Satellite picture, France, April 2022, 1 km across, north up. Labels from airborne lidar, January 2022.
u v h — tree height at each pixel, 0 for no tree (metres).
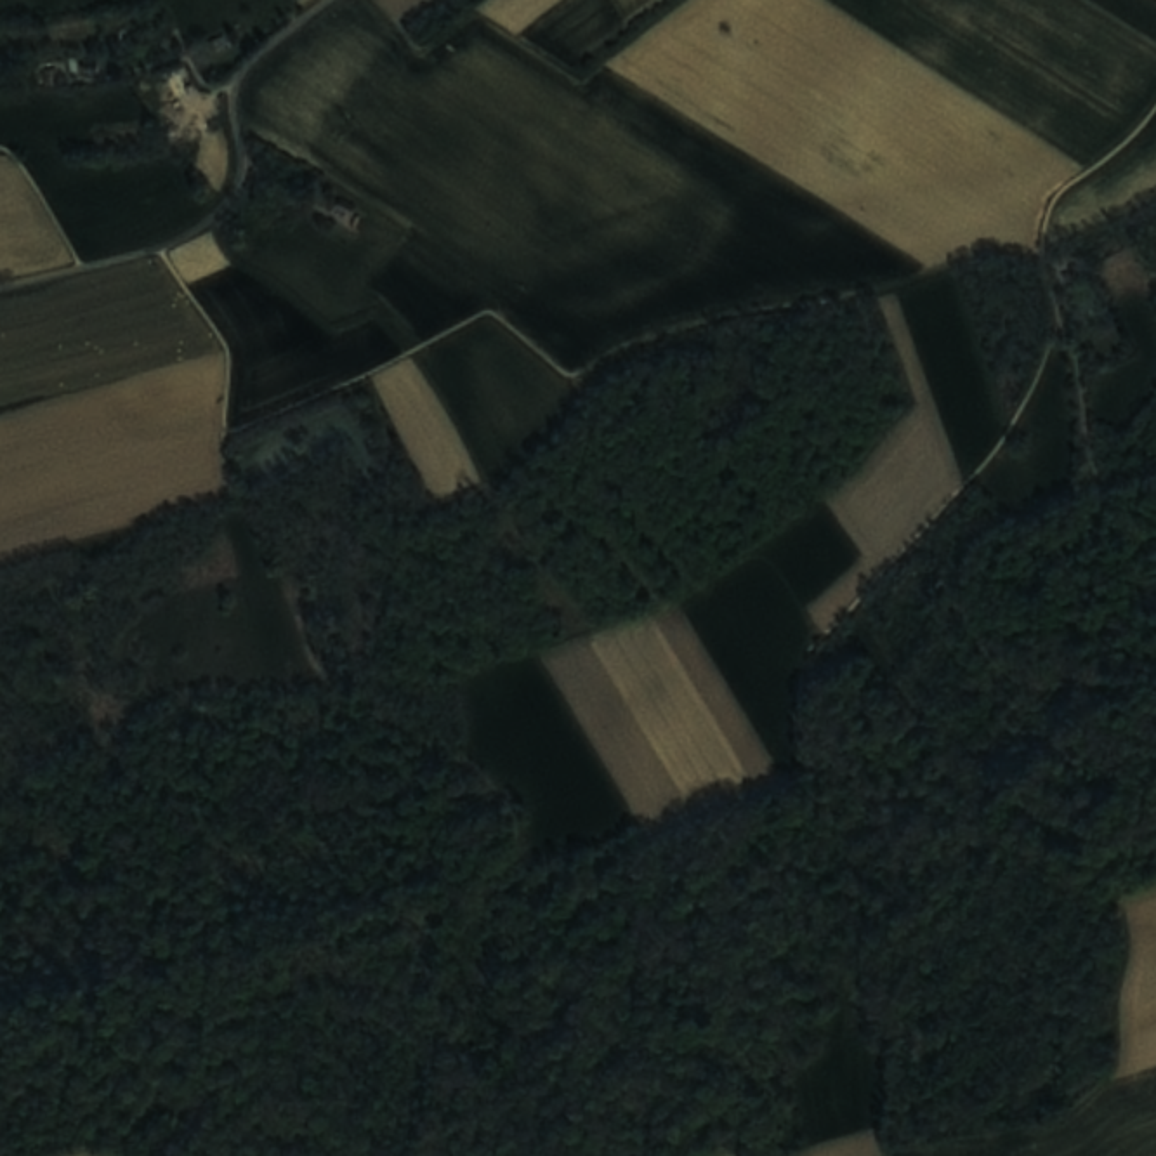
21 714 24
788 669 0
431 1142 33
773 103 0
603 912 31
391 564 22
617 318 0
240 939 32
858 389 26
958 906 33
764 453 25
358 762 27
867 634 0
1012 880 36
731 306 0
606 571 25
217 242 0
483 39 0
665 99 0
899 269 0
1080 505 27
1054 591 28
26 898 19
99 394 0
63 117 0
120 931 35
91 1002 36
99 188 0
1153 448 12
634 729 0
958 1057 29
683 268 0
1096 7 0
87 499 0
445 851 26
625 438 27
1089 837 35
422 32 9
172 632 0
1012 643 31
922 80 0
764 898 40
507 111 0
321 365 0
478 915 18
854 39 0
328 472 25
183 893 35
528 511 26
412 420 0
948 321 0
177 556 18
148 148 20
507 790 0
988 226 0
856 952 33
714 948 36
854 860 13
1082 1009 26
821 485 19
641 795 0
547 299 0
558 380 0
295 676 0
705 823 29
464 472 0
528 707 0
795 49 0
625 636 0
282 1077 29
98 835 26
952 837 30
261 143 10
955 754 25
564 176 0
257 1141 36
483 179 0
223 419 0
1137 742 36
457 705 20
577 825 0
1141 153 0
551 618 24
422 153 0
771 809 27
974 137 0
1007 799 29
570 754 0
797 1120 10
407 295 0
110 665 21
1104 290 16
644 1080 37
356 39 0
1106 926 30
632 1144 36
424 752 26
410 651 25
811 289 0
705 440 23
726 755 0
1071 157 0
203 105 0
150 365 0
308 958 31
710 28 0
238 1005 33
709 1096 37
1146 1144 0
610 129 0
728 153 0
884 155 0
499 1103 36
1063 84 0
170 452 0
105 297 0
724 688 0
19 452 0
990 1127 27
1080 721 34
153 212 0
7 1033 37
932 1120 29
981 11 0
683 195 0
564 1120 36
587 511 27
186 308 0
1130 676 33
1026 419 0
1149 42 0
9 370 0
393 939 34
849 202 0
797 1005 33
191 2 0
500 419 0
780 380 25
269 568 15
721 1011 35
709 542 26
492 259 0
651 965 26
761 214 0
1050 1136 0
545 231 0
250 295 0
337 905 25
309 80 0
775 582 0
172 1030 35
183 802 26
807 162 0
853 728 37
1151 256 6
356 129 0
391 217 0
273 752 19
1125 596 28
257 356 0
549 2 0
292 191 22
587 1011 38
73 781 25
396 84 0
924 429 0
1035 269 19
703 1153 26
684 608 0
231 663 0
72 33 0
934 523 13
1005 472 0
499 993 32
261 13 0
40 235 0
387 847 32
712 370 28
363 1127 27
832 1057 0
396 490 24
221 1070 33
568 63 0
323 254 0
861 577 0
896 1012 32
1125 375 0
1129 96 0
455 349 0
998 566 27
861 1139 0
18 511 0
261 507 21
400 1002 28
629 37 6
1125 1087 0
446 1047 35
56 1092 35
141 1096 29
